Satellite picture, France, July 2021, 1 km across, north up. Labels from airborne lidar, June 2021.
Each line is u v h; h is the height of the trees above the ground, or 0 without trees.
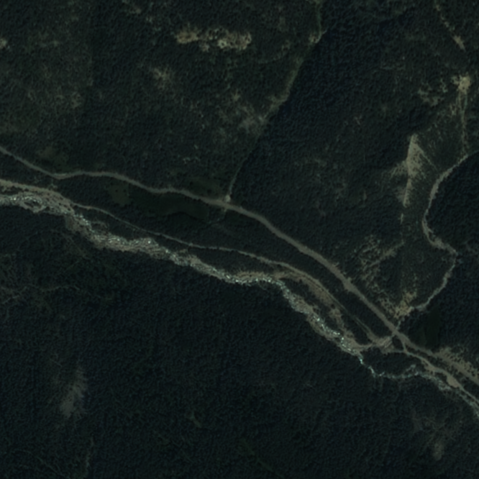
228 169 10
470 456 8
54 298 14
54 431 14
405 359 10
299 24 10
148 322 24
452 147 6
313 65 8
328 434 11
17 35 15
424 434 12
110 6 8
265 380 18
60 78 7
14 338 13
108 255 16
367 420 23
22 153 11
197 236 12
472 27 12
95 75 6
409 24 6
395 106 7
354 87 12
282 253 9
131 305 22
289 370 17
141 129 17
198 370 16
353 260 6
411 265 7
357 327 9
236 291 21
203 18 12
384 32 8
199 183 0
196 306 18
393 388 11
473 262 9
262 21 11
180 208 0
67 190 9
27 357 18
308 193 11
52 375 7
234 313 13
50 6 16
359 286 8
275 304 20
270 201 12
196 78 13
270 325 23
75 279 20
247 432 28
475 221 10
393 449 20
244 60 12
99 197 15
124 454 21
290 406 14
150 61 7
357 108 8
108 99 6
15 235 10
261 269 6
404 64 5
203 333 23
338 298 11
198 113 7
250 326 18
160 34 6
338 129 11
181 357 15
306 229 10
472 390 6
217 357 7
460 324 13
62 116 7
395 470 24
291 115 9
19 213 14
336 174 6
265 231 13
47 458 18
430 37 9
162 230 14
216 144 8
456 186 10
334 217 12
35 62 13
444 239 12
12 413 11
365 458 16
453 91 12
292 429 21
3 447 15
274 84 16
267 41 9
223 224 10
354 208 12
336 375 14
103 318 25
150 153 11
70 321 7
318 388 16
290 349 22
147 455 28
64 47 9
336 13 7
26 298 7
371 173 13
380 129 15
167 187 9
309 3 12
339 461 23
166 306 24
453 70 9
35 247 7
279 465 30
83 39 7
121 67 13
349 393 17
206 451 21
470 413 11
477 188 17
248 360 9
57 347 13
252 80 11
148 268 16
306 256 11
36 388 31
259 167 14
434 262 9
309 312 0
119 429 24
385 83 9
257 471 22
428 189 9
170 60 11
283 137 9
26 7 14
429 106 11
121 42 10
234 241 9
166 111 7
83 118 7
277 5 9
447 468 14
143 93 6
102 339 14
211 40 11
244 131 9
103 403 18
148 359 19
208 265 8
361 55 14
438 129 7
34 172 12
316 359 13
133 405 24
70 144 7
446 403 12
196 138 10
